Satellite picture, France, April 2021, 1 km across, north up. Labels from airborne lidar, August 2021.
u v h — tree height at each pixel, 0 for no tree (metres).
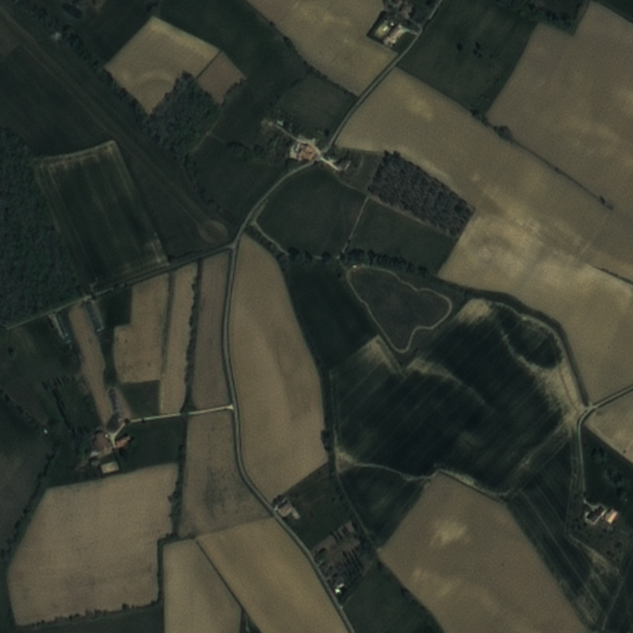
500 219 0
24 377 0
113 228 0
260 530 0
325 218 0
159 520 0
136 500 0
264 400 0
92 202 0
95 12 0
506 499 0
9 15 0
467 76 0
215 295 0
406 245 0
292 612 0
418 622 0
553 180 0
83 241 0
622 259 0
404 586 0
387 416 0
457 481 0
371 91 0
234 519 0
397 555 0
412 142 0
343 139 0
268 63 0
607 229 0
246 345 0
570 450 0
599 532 0
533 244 0
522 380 0
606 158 0
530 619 0
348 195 0
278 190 0
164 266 0
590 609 0
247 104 0
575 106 0
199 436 0
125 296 0
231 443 0
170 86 0
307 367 0
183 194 0
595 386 0
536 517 0
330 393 0
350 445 0
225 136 0
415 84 0
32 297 9
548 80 0
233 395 0
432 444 0
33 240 17
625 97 0
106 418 0
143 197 0
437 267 0
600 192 0
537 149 0
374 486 0
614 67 0
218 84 0
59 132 0
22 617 0
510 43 0
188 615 0
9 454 0
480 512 0
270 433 0
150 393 0
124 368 0
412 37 0
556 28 26
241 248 0
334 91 0
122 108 0
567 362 0
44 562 0
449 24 0
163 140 24
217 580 0
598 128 0
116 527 0
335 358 0
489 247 0
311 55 0
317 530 0
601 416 0
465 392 0
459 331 0
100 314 0
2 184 18
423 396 0
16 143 16
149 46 0
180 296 0
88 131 0
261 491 0
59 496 0
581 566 0
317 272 0
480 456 0
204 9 0
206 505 0
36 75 0
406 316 0
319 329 0
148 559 0
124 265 0
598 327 0
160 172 0
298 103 0
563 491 0
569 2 0
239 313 0
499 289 0
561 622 0
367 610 0
